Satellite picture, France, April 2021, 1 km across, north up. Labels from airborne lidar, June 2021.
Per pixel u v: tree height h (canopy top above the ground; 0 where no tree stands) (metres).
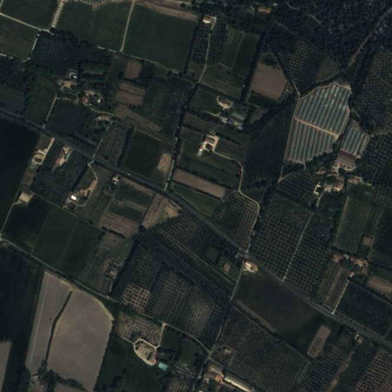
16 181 0
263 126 10
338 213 12
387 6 8
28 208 0
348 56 7
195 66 0
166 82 11
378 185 14
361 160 12
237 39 0
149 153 0
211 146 12
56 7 0
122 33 0
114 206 0
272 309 0
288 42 7
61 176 13
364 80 8
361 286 14
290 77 16
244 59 0
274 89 0
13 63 6
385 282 0
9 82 8
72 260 0
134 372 0
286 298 0
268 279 0
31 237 0
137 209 0
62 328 0
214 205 0
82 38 0
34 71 16
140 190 0
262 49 18
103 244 0
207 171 0
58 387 0
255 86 0
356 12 15
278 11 6
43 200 0
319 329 0
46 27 0
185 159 0
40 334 0
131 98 0
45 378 10
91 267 0
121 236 15
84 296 0
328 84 6
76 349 0
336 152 12
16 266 0
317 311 0
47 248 0
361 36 11
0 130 0
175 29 0
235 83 0
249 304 0
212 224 0
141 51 0
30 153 0
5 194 0
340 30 14
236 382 0
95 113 0
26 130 0
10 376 0
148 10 0
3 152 0
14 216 0
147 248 14
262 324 9
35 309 0
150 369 7
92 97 12
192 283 15
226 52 0
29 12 0
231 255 9
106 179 0
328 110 0
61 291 0
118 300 0
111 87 9
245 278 0
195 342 12
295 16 17
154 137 0
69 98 7
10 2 0
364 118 11
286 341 11
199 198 0
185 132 0
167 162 0
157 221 0
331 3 13
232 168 0
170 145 0
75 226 0
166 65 0
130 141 8
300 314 0
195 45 8
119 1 0
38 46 6
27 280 0
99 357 0
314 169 15
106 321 0
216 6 10
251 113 7
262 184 10
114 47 0
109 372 0
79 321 0
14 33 0
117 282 14
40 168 9
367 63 7
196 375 7
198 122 0
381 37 10
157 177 0
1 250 0
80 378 0
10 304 0
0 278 0
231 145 0
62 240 0
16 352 0
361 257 7
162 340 0
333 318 0
